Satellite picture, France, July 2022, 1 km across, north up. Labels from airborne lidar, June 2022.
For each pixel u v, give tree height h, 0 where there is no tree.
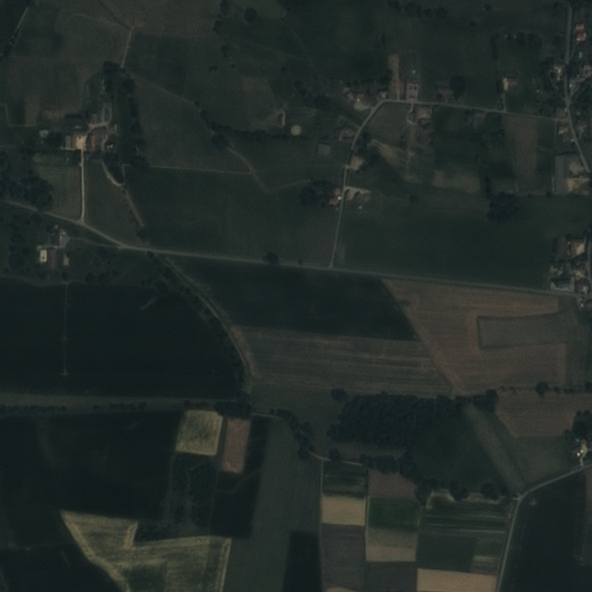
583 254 8
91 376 0
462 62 0
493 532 0
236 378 0
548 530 0
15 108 0
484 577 0
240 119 0
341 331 0
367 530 0
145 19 0
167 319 0
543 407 0
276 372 0
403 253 0
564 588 0
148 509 0
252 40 0
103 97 0
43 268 12
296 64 0
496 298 0
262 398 0
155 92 0
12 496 0
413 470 25
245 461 0
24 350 0
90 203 0
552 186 0
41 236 0
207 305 0
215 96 0
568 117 0
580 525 0
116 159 20
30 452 0
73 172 0
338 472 0
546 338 0
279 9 0
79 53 0
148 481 0
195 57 0
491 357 0
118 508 0
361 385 0
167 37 0
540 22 0
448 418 17
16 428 0
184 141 0
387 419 24
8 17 0
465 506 0
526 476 0
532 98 0
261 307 0
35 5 13
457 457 0
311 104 17
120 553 0
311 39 0
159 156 0
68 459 0
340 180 0
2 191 21
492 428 0
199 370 0
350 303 0
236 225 0
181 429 0
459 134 0
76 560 0
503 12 0
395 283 0
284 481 0
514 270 0
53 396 0
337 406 0
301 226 0
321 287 0
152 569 0
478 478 0
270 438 0
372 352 0
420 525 0
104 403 0
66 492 0
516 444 0
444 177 0
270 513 0
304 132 0
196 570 0
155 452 0
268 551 0
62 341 0
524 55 0
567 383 0
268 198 0
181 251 0
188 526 0
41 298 0
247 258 0
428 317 0
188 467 6
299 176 0
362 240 0
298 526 0
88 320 0
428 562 0
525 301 0
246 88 0
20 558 0
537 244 0
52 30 0
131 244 0
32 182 17
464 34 0
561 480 0
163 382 0
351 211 0
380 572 0
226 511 0
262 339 0
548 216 0
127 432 0
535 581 0
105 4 0
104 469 0
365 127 0
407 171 0
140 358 0
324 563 0
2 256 0
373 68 0
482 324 0
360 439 17
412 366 0
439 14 16
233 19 0
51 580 0
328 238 0
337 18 0
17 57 0
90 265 0
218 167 0
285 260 0
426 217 0
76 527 0
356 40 0
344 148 0
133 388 0
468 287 0
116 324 0
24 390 0
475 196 0
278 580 0
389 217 0
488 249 0
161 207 0
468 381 0
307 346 0
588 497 0
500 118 7
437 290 0
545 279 0
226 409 17
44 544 0
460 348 0
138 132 21
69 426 0
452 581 0
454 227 0
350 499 0
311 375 0
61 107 0
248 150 0
